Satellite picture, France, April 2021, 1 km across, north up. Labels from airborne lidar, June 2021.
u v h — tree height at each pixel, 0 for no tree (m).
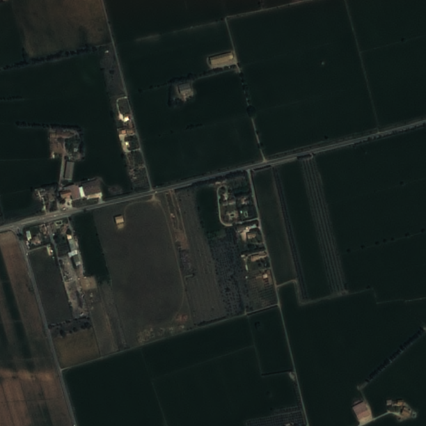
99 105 0
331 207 0
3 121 0
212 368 0
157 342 0
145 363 0
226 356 0
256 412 0
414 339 12
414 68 0
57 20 0
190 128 8
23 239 7
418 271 0
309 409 0
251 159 0
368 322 0
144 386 0
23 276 0
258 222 8
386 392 0
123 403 0
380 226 0
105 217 0
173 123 0
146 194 0
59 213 0
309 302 0
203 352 0
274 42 0
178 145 0
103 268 0
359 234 0
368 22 0
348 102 0
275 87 0
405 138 0
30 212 0
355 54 0
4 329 0
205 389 0
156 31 0
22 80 0
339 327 0
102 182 0
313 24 0
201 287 0
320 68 0
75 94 0
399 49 0
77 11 0
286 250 0
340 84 0
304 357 0
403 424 0
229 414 0
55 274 0
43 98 0
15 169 0
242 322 0
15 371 0
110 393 0
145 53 0
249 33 0
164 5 0
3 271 0
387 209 0
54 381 0
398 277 0
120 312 0
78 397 0
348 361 0
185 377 0
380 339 0
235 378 0
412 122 0
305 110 0
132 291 0
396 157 0
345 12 0
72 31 0
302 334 0
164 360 0
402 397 0
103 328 0
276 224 0
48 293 0
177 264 0
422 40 0
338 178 0
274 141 0
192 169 0
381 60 0
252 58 0
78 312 0
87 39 0
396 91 0
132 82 0
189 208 0
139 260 0
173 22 0
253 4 0
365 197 0
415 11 0
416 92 0
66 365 0
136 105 0
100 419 0
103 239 0
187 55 0
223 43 0
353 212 0
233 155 0
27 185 0
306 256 0
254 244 8
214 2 0
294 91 0
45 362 0
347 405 0
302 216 0
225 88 0
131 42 0
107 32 0
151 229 0
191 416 0
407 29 0
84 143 10
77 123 0
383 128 0
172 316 0
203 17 0
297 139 0
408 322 0
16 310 0
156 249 0
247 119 0
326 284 0
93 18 0
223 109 0
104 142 0
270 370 0
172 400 0
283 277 0
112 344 0
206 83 0
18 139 0
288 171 0
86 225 0
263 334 0
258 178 0
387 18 0
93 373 0
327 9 0
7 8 0
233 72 0
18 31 0
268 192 0
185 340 0
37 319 0
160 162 0
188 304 0
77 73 0
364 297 0
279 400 0
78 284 0
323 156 0
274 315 0
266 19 0
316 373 0
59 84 0
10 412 0
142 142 0
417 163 0
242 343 0
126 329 0
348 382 0
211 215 0
